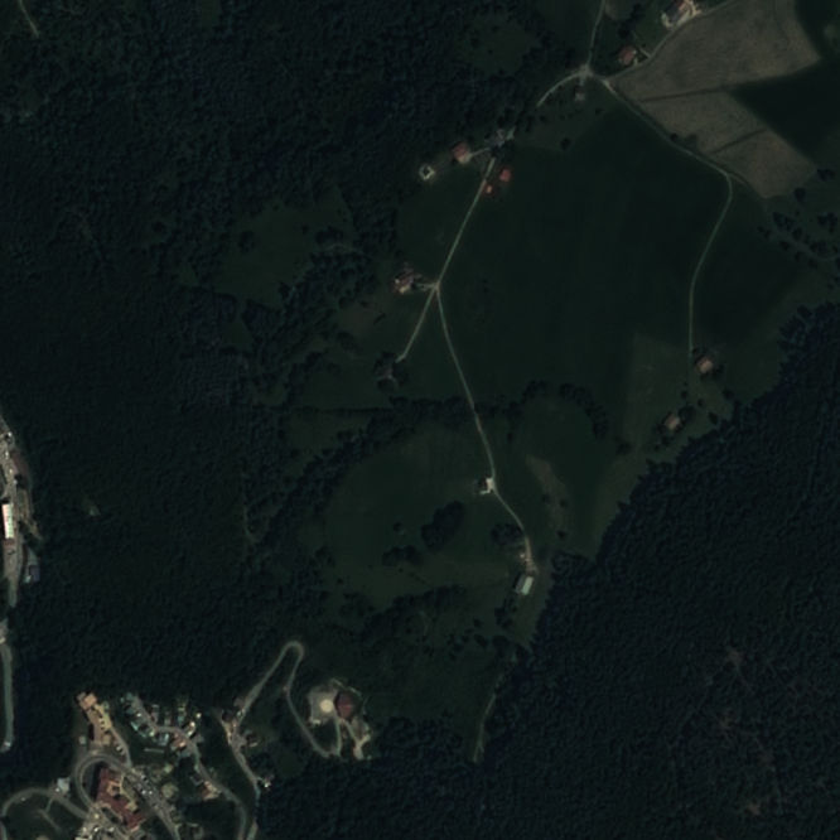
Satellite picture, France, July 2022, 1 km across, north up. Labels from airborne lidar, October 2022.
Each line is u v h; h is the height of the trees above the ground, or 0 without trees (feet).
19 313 98
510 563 0
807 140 0
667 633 84
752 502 75
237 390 78
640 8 43
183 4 72
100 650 111
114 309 95
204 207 61
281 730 27
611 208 0
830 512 78
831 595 84
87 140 73
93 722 0
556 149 0
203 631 96
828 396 95
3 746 0
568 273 0
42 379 105
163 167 87
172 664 121
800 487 96
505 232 0
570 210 0
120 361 116
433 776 70
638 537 84
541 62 61
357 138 97
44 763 110
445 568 0
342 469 58
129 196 93
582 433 0
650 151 0
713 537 80
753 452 83
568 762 76
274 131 85
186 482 99
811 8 0
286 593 52
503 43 0
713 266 0
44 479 54
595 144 0
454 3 72
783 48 0
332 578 0
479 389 0
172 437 99
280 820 73
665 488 94
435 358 0
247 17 50
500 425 0
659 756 93
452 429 45
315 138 77
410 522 0
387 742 53
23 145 79
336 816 55
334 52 93
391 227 25
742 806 43
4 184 82
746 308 0
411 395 0
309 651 0
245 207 72
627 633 100
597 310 0
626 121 0
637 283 0
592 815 88
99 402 112
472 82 76
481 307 0
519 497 0
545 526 0
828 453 77
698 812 91
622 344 0
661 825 100
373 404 0
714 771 73
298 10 109
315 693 0
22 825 0
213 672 113
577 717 99
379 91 28
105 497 90
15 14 78
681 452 0
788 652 45
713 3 0
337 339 42
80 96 47
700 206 0
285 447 34
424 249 0
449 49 90
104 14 39
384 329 0
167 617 96
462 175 0
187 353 53
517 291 0
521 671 23
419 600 63
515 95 53
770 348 0
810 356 101
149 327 80
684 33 0
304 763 52
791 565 74
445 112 60
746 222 0
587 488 0
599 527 0
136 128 59
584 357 0
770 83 0
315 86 29
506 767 94
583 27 0
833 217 34
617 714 75
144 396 84
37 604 83
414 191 52
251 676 63
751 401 0
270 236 0
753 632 67
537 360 0
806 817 52
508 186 0
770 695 107
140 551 80
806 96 0
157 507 87
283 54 22
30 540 37
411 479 0
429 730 57
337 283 19
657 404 0
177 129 91
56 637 105
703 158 0
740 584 40
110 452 92
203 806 44
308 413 28
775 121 0
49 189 83
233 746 0
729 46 0
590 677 89
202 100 86
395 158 92
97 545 103
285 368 46
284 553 49
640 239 0
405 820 88
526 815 74
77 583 80
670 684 70
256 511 72
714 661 65
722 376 35
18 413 64
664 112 0
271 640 59
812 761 73
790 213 0
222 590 79
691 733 81
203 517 80
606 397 0
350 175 76
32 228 90
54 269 90
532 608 0
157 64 85
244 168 40
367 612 30
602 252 0
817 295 0
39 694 110
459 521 74
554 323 0
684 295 0
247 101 72
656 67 0
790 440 95
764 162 0
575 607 56
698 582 77
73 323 78
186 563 93
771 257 0
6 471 0
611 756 73
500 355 0
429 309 0
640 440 0
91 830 0
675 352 0
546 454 0
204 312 99
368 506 0
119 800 0
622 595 100
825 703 68
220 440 87
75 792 29
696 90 0
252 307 47
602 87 0
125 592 104
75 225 90
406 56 72
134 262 86
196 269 43
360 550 0
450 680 0
